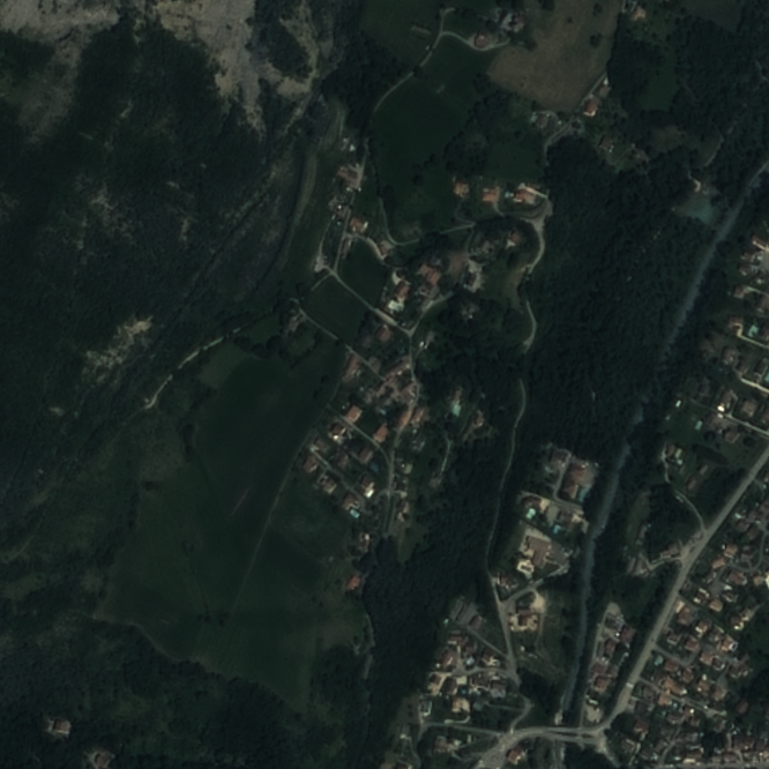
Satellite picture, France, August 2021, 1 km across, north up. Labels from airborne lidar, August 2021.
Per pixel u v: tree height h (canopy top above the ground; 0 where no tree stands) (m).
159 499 0
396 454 6
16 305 11
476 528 8
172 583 0
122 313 9
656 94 0
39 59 6
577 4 0
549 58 0
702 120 17
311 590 0
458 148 12
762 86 9
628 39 13
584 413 16
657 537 16
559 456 0
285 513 0
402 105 0
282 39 10
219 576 0
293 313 6
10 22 0
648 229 23
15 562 7
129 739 10
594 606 7
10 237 11
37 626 15
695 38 14
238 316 10
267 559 0
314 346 6
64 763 14
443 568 13
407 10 0
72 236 7
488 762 0
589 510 20
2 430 14
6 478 6
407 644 10
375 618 23
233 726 18
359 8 11
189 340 14
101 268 11
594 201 16
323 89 12
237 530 0
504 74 0
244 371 0
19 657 8
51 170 8
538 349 11
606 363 24
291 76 6
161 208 6
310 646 0
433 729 7
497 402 9
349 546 6
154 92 12
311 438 0
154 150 7
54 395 10
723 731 7
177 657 0
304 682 0
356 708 8
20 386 7
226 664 0
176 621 0
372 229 0
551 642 0
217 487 0
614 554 15
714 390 7
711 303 27
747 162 10
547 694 14
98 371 7
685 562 0
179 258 9
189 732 8
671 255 15
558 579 7
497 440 8
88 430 10
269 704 12
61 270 9
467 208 7
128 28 7
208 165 7
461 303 14
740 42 12
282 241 6
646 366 8
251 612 0
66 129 6
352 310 0
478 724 9
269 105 12
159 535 0
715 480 6
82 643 5
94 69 13
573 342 31
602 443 13
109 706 7
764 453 0
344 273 0
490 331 6
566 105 0
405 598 24
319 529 0
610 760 7
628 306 16
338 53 7
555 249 10
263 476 0
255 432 0
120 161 8
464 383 10
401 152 0
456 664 0
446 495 13
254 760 14
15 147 11
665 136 0
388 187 9
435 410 8
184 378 13
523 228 10
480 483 15
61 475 9
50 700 13
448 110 0
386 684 17
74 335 9
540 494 9
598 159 9
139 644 8
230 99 7
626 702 0
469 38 0
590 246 17
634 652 12
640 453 19
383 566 23
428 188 0
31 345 12
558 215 6
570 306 18
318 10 7
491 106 21
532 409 12
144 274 9
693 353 17
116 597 0
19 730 20
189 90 15
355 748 12
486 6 0
